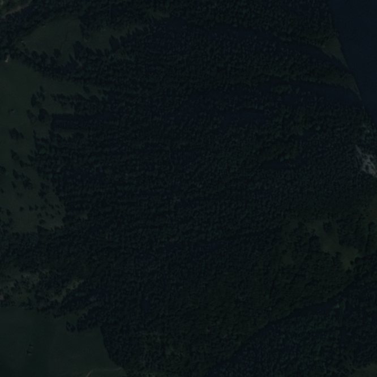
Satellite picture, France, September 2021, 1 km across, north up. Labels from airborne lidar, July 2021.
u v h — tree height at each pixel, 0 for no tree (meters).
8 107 0
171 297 20
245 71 22
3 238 16
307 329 25
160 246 24
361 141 12
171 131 26
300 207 18
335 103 7
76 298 16
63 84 0
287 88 24
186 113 19
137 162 19
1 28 22
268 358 24
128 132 21
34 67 17
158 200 20
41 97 14
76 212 27
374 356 21
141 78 20
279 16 19
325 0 19
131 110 24
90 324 12
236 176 28
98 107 20
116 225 15
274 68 25
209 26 25
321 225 0
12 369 0
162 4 14
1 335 0
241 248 25
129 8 17
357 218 14
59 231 16
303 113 22
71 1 20
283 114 14
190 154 16
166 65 15
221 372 26
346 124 19
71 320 0
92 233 21
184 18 19
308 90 12
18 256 19
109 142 17
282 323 27
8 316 0
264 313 20
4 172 15
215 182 24
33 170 0
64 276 18
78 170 14
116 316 22
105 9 12
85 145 16
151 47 22
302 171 20
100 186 27
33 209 11
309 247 13
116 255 25
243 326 30
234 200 19
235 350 24
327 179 16
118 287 28
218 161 21
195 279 23
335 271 17
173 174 16
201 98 20
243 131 29
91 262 16
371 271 18
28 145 0
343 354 11
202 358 16
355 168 10
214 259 25
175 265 23
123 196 20
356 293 19
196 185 27
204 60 30
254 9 25
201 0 22
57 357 0
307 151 23
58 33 0
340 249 0
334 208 17
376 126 8
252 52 25
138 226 16
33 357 0
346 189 17
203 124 26
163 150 18
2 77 0
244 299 6
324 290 19
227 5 24
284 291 21
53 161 15
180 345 21
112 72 10
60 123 17
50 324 0
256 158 25
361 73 0
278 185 21
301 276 10
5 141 0
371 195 16
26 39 0
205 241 8
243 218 12
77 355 0
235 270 20
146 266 27
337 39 0
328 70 17
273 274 21
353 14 9
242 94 19
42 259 24
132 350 21
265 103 15
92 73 17
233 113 15
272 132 24
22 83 0
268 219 18
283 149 23
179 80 20
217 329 22
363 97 0
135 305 31
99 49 0
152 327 15
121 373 0
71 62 0
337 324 21
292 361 11
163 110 18
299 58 23
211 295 24
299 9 26
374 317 7
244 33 17
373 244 23
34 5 19
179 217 26
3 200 0
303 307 18
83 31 15
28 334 0
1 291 8
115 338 25
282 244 20
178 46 26
